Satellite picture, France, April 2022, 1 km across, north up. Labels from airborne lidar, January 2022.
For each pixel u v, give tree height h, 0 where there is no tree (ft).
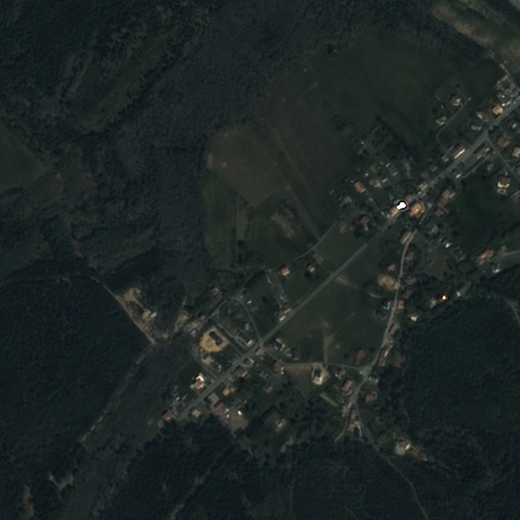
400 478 53
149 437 0
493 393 35
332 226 0
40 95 58
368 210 19
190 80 33
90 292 62
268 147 0
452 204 0
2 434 50
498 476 63
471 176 0
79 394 40
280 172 0
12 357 59
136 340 53
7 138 0
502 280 34
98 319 55
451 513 51
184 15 59
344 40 38
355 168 0
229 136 0
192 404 0
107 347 41
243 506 58
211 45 70
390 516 52
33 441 40
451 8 0
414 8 42
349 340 0
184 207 47
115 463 37
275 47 42
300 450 62
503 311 37
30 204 78
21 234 39
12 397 53
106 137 72
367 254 0
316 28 43
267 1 30
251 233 25
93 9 78
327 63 0
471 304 37
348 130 52
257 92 61
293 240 0
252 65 59
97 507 57
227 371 0
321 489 24
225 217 0
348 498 27
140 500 48
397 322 0
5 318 70
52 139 97
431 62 0
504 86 0
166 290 72
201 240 52
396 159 37
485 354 37
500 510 65
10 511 81
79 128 87
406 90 0
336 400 0
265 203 0
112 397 42
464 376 40
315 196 0
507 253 0
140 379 43
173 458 60
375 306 0
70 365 56
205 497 50
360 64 0
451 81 0
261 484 65
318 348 0
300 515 22
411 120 0
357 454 50
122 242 47
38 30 59
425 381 35
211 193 0
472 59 48
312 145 0
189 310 51
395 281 0
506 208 0
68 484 0
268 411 19
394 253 0
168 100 37
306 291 0
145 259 54
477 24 0
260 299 0
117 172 73
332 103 0
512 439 48
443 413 32
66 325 72
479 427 41
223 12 56
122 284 61
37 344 69
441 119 0
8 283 55
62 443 52
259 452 68
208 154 65
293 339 0
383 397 0
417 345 38
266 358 0
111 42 64
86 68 71
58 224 64
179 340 57
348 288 0
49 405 44
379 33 0
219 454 73
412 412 32
